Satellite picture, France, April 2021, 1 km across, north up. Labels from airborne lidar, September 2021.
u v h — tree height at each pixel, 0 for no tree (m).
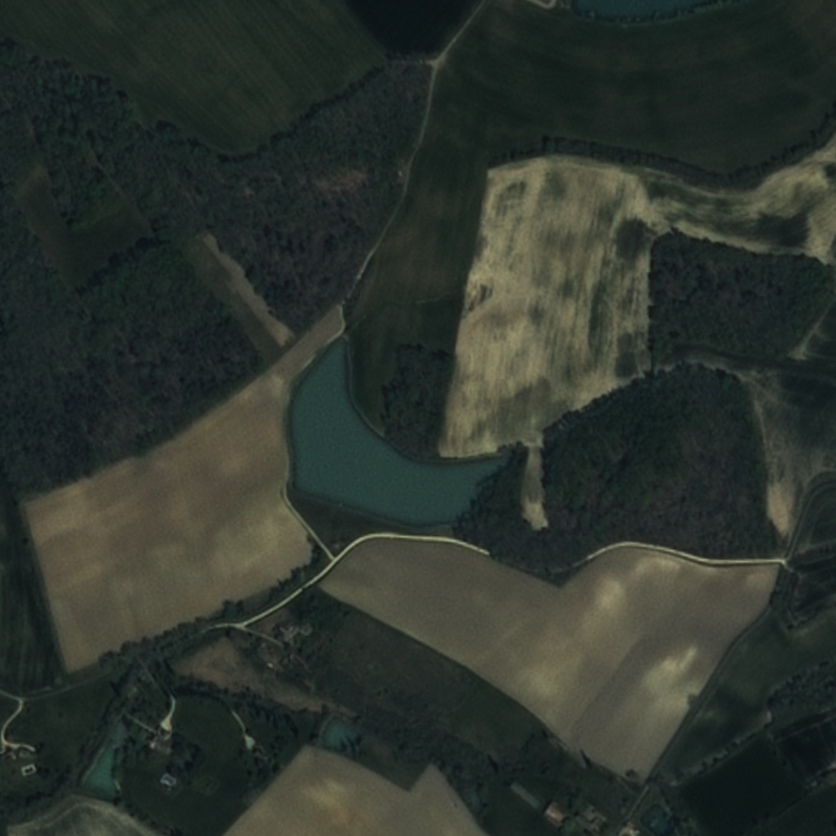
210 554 0
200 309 21
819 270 16
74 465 17
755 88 0
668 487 14
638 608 0
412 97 11
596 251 0
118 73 0
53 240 0
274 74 0
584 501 11
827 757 0
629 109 0
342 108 18
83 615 0
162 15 0
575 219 0
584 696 0
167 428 19
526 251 0
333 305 15
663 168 16
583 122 0
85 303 18
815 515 0
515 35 0
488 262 0
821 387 0
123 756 7
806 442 0
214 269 0
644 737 0
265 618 0
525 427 0
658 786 14
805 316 11
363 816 0
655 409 22
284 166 16
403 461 0
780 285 11
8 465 18
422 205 0
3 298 20
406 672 0
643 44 0
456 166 0
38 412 18
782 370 0
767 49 0
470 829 0
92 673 0
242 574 0
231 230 15
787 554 0
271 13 0
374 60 0
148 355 14
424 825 0
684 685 0
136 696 12
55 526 0
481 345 0
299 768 0
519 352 0
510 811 0
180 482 0
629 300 0
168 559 0
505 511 8
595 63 0
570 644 0
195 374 23
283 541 0
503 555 18
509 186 0
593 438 22
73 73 17
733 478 9
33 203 0
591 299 0
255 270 13
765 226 0
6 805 11
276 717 8
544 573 13
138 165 24
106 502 0
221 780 0
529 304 0
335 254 18
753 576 0
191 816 0
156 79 0
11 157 22
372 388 0
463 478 0
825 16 0
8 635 0
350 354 0
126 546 0
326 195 12
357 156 17
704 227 0
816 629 0
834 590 0
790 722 19
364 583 0
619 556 0
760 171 9
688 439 17
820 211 0
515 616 0
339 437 0
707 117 0
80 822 0
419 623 0
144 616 0
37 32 0
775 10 0
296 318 15
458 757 12
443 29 0
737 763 0
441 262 0
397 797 0
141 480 0
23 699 0
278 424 0
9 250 23
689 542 11
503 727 0
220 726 0
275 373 0
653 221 0
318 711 0
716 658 0
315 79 0
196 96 0
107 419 15
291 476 0
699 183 13
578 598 0
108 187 27
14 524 0
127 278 29
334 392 0
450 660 0
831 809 0
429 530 0
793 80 0
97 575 0
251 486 0
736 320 15
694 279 12
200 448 0
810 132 0
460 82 0
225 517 0
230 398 16
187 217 19
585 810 0
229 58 0
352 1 0
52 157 20
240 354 13
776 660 0
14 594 0
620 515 7
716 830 0
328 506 0
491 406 0
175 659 13
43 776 10
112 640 0
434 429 17
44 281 18
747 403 19
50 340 14
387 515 0
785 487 0
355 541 0
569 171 0
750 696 0
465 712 0
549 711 0
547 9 0
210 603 0
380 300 0
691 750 0
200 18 0
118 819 0
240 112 0
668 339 17
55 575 0
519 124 0
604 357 0
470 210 0
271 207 17
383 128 19
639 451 20
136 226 0
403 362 13
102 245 0
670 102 0
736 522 11
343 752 9
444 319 0
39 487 18
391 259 0
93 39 0
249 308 0
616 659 0
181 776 16
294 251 13
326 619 6
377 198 14
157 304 24
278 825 0
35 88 21
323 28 0
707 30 0
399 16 0
